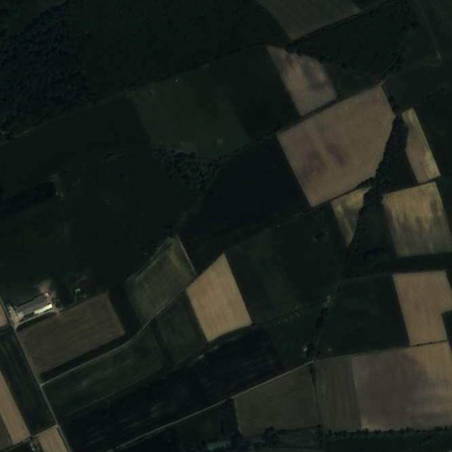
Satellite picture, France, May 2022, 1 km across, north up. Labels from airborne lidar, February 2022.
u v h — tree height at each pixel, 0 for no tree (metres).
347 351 0
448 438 0
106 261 0
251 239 0
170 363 0
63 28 30
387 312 0
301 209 0
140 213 0
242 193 0
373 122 0
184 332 0
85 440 0
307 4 0
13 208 0
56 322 0
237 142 0
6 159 0
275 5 0
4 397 0
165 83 0
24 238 0
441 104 0
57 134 0
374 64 6
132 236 0
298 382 0
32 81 31
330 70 0
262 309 0
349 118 0
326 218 0
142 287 0
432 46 0
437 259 0
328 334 0
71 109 20
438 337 0
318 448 0
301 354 0
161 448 0
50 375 0
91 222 0
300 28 0
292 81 0
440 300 0
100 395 0
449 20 0
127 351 0
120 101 0
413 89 0
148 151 0
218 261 0
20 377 0
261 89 0
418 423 0
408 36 0
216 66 0
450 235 0
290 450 0
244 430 0
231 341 0
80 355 0
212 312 0
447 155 0
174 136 0
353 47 7
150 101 0
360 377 0
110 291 0
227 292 0
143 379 0
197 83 0
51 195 0
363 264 0
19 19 0
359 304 0
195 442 0
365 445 0
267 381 0
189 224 0
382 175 16
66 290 0
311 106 0
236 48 13
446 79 0
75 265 0
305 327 0
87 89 28
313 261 0
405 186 0
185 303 0
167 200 0
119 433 0
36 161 0
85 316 0
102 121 0
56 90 31
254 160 0
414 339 0
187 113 0
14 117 29
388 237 0
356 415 0
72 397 0
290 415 0
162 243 0
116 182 0
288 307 0
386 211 0
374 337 0
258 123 0
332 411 0
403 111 0
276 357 0
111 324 0
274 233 0
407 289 0
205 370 0
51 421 0
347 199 0
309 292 0
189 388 0
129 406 0
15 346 0
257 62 0
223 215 0
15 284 0
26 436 0
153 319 0
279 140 0
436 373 0
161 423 0
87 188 0
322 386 0
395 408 0
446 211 0
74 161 0
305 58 0
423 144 0
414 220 0
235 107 0
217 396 0
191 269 0
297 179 0
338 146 0
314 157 0
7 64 27
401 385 0
